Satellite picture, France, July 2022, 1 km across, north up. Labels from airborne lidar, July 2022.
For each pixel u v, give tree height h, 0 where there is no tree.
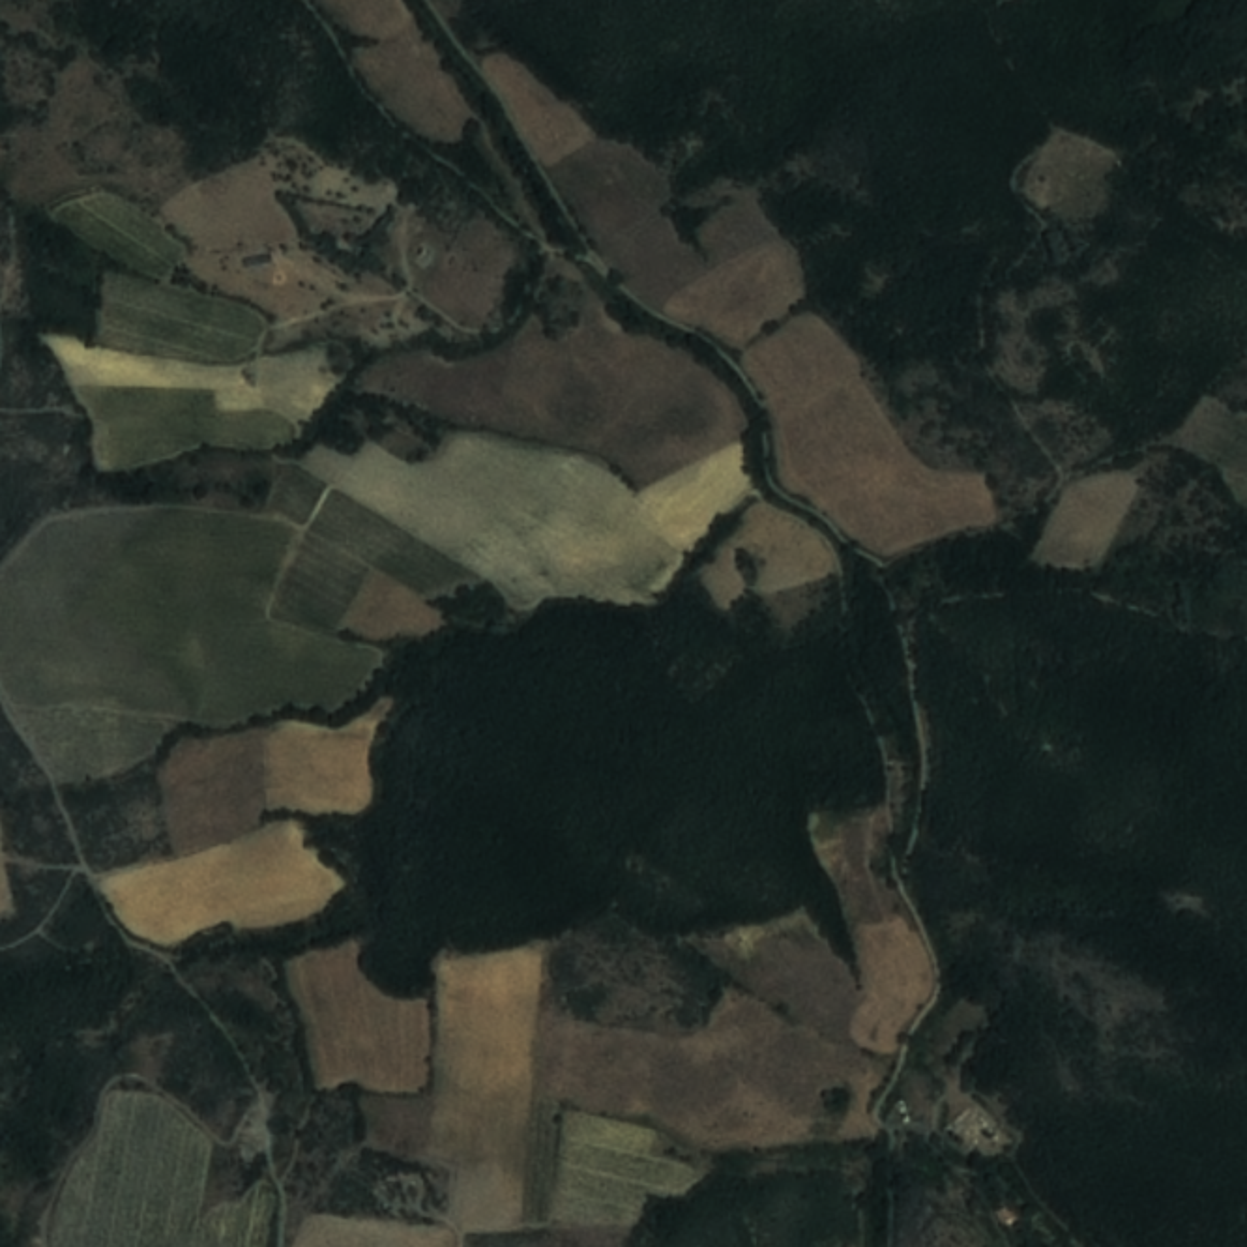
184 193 0
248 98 8
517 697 8
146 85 7
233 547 0
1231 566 8
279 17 9
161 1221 0
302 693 0
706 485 0
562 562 0
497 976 0
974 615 7
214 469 0
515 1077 0
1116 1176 8
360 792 0
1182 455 8
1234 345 5
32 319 7
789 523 0
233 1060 9
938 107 6
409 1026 0
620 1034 0
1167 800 8
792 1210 0
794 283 0
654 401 0
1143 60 10
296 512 0
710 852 6
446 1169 0
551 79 10
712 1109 0
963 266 11
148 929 0
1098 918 7
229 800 0
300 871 0
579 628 8
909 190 8
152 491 11
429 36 11
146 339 0
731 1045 0
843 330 8
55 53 7
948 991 12
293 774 0
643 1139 0
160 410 0
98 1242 0
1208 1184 7
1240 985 12
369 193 0
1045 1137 7
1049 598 8
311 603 0
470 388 0
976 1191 7
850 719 10
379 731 8
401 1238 0
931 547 8
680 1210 9
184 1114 0
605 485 0
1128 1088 6
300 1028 10
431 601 7
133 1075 0
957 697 6
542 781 8
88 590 0
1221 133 7
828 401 0
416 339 8
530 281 8
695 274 0
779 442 0
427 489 0
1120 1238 8
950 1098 0
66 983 9
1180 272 6
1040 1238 8
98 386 0
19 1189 0
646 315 9
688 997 0
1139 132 13
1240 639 10
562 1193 0
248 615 0
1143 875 10
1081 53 8
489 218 7
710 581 0
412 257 0
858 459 0
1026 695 10
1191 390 6
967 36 6
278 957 6
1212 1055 6
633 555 0
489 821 7
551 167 0
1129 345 7
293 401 0
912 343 8
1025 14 7
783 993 0
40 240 6
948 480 0
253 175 0
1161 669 7
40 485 0
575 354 0
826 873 7
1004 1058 6
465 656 7
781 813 11
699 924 11
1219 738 8
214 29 8
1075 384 7
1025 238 7
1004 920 7
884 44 8
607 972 0
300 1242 0
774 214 9
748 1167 0
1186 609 11
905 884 7
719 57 7
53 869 0
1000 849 6
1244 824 8
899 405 8
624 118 10
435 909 7
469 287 0
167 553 0
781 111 9
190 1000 5
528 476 0
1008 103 6
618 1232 0
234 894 0
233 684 0
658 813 6
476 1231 0
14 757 0
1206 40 11
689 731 6
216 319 0
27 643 0
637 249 0
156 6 6
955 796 6
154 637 0
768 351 0
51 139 0
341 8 0
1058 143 0
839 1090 8
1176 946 9
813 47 10
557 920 6
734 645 7
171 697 0
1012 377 0
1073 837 6
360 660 0
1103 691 10
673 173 5
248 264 0
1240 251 8
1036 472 6
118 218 0
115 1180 0
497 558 0
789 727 8
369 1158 6
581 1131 0
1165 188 9
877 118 7
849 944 7
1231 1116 6
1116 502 0
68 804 0
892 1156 7
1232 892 7
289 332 0
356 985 0
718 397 0
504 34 8
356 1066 0
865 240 9
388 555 0
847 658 8
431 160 9
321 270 0
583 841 6
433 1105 0
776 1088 0
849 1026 0
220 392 0
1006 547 10
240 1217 0
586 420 0
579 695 9
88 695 0
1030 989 8
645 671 10
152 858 0
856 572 9
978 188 6
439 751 8
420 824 7
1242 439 0
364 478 0
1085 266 6
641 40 7
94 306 8
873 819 0
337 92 8
